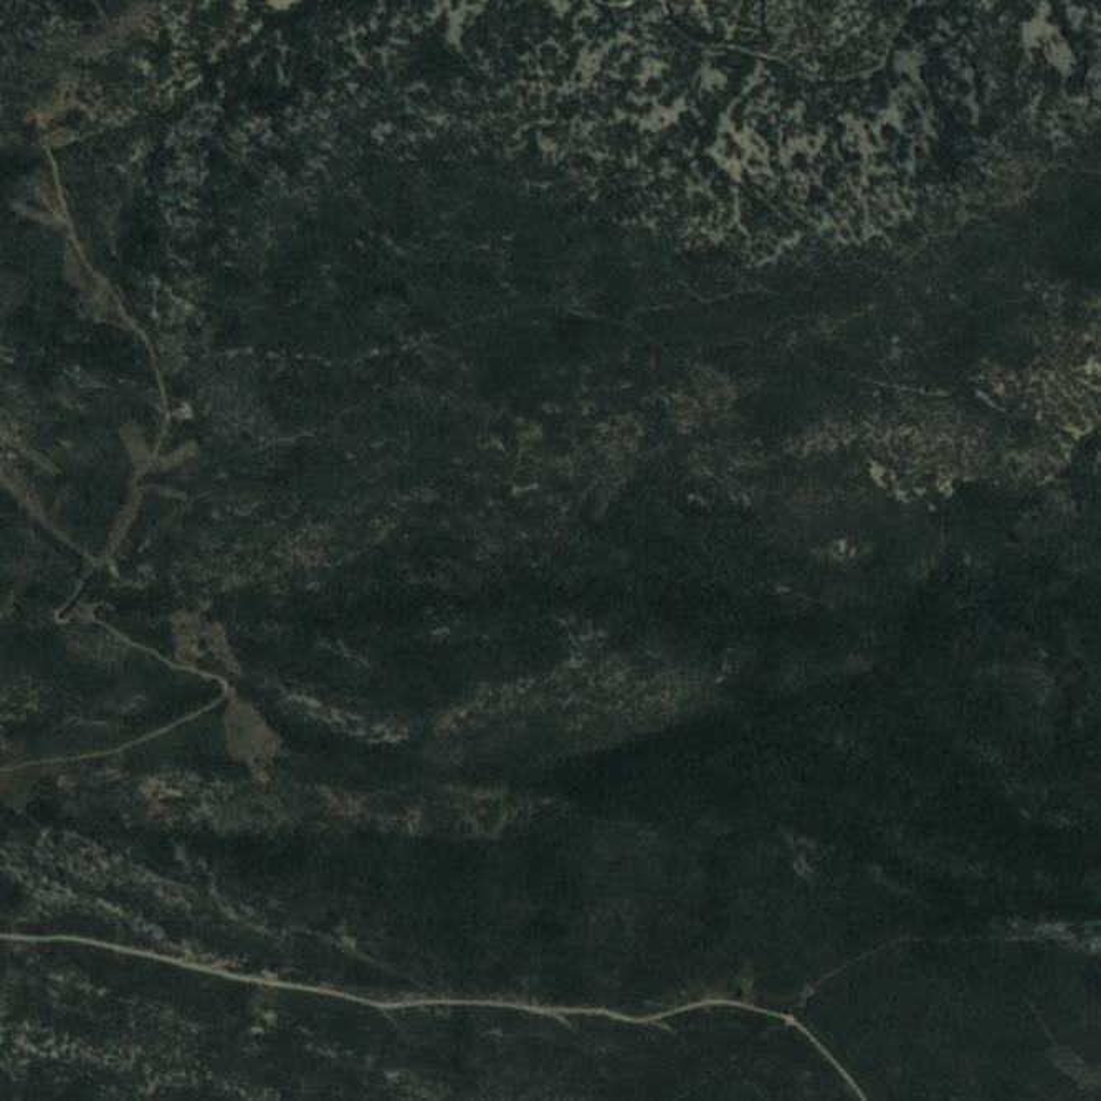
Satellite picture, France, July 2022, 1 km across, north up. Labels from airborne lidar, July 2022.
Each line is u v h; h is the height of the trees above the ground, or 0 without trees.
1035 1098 0
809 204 7
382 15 7
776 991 0
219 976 0
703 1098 0
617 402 0
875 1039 0
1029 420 7
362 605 8
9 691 0
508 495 7
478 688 0
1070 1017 0
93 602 7
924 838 6
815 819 6
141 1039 0
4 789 0
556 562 7
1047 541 7
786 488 0
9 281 0
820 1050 0
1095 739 6
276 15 8
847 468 6
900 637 9
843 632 9
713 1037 0
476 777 6
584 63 0
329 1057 0
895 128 9
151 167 7
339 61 6
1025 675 0
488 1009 0
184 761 6
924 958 6
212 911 0
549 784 9
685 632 7
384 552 8
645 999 0
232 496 0
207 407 0
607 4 9
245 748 0
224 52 6
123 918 0
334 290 0
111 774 0
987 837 7
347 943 0
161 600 7
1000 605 6
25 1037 0
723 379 0
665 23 6
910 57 0
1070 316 7
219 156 6
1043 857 6
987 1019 0
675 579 7
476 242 0
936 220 0
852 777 6
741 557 7
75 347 6
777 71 6
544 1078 0
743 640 7
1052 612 6
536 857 6
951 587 8
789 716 9
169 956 0
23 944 0
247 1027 0
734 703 5
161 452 0
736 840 5
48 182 0
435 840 7
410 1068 0
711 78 0
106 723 0
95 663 0
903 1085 0
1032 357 7
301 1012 0
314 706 0
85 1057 0
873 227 0
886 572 6
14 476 0
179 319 0
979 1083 0
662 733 9
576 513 7
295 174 6
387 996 0
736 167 0
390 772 7
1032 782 5
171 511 0
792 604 7
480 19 5
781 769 7
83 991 0
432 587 6
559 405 0
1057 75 7
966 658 6
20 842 0
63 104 0
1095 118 0
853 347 0
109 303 0
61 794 0
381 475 0
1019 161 0
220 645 0
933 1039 0
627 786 6
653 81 9
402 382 0
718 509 9
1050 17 7
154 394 0
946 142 6
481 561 6
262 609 5
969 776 7
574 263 0
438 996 0
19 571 0
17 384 0
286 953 0
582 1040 0
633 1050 0
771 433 0
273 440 0
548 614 9
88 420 6
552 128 6
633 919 0
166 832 6
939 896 7
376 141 6
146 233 8
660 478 7
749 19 8
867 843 6
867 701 7
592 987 0
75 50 0
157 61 6
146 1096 0
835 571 6
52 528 0
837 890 5
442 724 0
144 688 0
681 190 6
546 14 6
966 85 7
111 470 0
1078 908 6
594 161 7
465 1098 0
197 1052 0
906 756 9
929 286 0
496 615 6
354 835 6
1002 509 7
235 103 7
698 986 0
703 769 6
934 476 6
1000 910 5
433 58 8
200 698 6
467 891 6
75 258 0
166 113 7
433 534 8
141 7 0
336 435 0
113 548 0
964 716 8
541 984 0
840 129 8
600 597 9
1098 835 6
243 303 0
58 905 0
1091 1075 0
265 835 6
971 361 6
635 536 6
